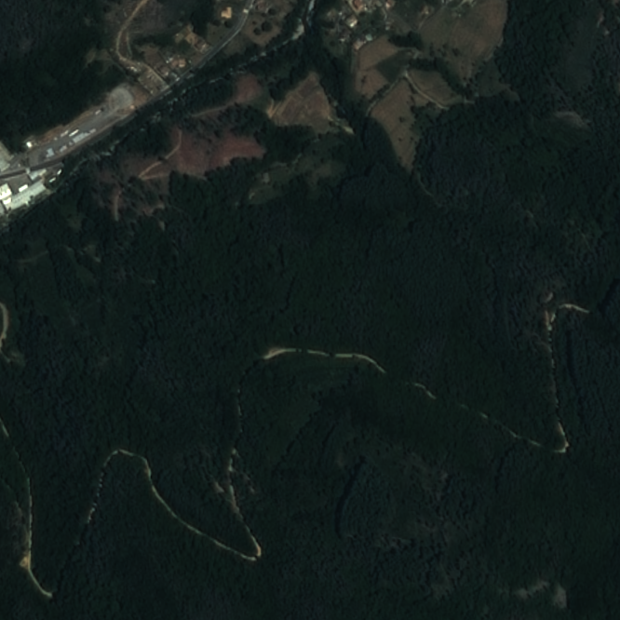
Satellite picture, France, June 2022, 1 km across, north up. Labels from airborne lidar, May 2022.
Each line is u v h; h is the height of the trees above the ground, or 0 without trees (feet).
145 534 37
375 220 55
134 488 53
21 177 0
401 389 55
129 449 37
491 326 45
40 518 45
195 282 70
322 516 37
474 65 29
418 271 97
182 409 44
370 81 0
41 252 0
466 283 49
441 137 40
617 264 66
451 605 36
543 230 51
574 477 63
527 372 71
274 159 48
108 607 49
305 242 42
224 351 54
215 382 52
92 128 0
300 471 24
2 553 51
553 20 49
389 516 113
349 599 63
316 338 56
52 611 65
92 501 35
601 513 57
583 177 54
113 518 49
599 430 108
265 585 77
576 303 34
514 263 49
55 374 46
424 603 47
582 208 54
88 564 44
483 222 76
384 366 37
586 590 81
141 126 57
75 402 28
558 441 60
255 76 35
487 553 58
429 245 95
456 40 0
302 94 0
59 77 55
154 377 32
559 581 29
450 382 64
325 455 63
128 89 0
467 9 0
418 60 30
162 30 0
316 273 62
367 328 50
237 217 73
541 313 30
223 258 62
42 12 55
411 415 57
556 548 41
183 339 61
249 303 40
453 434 58
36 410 83
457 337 56
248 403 40
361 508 104
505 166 73
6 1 65
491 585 47
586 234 50
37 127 33
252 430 53
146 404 46
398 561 113
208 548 57
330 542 37
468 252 23
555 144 104
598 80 38
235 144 0
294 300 54
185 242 75
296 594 43
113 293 61
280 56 54
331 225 58
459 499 73
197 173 0
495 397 57
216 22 50
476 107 49
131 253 67
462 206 46
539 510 47
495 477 56
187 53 0
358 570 46
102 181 0
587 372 114
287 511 34
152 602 66
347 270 54
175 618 47
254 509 32
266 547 27
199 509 93
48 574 84
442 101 0
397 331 74
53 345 73
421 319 74
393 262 70
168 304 59
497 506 61
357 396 61
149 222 54
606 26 46
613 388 121
